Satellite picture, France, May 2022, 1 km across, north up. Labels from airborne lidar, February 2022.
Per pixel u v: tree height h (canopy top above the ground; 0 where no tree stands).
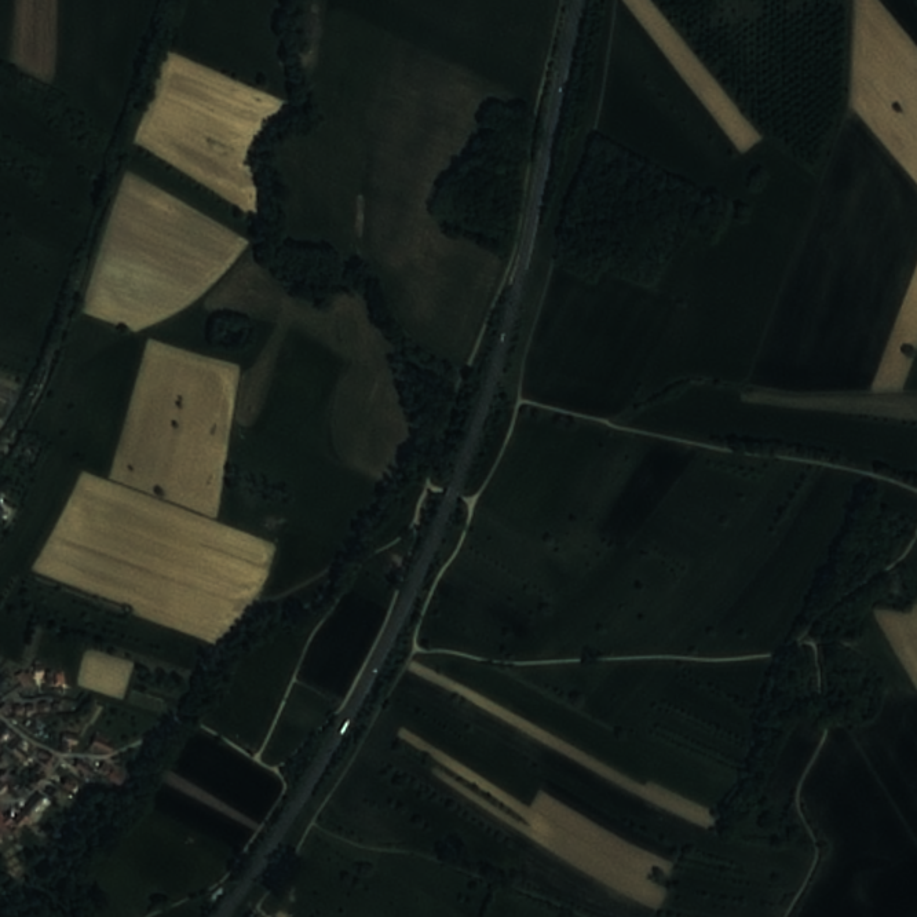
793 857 0
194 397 0
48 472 0
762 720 18
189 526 0
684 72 0
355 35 0
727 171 0
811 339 0
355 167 0
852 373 0
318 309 22
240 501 0
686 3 6
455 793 0
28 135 0
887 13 0
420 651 0
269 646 0
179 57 0
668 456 0
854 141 0
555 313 0
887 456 0
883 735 0
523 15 0
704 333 0
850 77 0
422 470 16
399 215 0
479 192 22
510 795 0
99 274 0
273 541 0
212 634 0
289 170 0
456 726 0
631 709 0
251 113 0
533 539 0
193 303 0
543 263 0
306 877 0
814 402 0
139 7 0
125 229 0
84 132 8
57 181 0
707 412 0
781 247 0
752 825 0
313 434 0
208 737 0
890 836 0
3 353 0
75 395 0
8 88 7
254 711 0
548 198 8
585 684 0
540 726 0
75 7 0
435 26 0
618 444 0
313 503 0
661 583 0
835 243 0
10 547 0
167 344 0
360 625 0
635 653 0
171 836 0
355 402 0
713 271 0
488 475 0
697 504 0
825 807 0
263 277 0
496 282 0
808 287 0
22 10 0
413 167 0
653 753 0
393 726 0
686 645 0
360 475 0
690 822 0
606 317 0
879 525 17
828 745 0
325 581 0
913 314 0
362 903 0
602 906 0
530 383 0
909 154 0
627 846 0
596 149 14
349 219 0
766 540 0
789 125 7
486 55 0
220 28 0
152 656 0
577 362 0
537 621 0
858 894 0
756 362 0
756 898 0
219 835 0
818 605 16
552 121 0
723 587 0
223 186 0
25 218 0
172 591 0
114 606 0
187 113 0
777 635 0
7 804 0
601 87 0
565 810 0
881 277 0
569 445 0
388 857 0
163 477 0
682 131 0
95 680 0
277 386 0
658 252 19
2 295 0
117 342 0
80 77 0
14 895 22
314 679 0
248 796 0
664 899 0
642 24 0
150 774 19
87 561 0
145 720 0
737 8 0
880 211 0
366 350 0
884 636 0
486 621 0
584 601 0
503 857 0
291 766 10
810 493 0
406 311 0
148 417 0
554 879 0
